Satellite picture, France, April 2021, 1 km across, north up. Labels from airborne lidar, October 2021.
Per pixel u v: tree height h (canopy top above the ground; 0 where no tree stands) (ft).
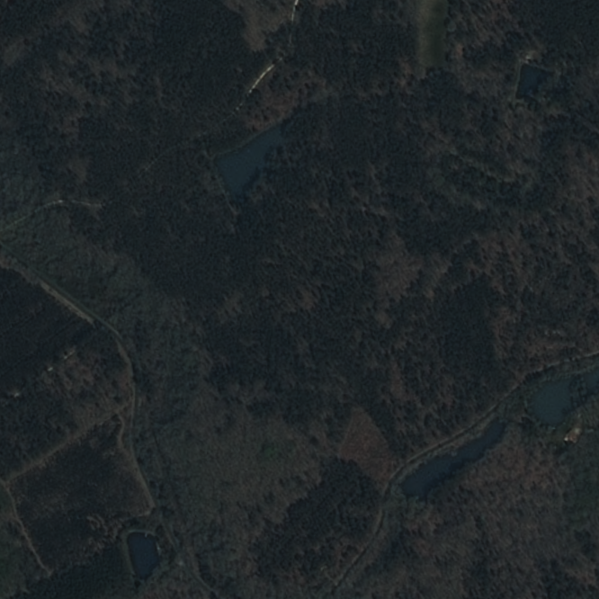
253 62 66
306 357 39
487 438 0
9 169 28
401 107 54
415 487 0
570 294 71
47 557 25
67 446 24
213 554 45
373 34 73
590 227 43
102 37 66
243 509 51
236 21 60
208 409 39
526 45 89
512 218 56
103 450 27
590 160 24
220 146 60
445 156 54
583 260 47
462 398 61
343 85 70
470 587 52
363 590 66
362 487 57
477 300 58
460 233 66
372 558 55
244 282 67
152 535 27
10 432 60
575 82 92
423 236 66
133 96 60
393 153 54
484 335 65
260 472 46
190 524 56
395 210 45
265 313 71
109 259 57
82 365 38
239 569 56
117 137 62
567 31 81
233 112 57
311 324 56
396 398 32
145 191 53
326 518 70
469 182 30
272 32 49
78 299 23
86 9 62
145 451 37
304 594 66
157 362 27
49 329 39
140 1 53
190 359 75
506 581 24
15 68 56
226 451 59
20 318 49
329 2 39
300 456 58
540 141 48
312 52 70
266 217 74
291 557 70
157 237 73
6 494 31
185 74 53
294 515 72
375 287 55
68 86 34
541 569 69
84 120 31
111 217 69
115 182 62
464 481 41
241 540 41
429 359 62
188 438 56
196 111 61
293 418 67
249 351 47
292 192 66
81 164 50
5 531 41
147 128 70
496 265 21
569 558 68
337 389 55
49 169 35
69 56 58
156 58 61
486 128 68
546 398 0
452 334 45
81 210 42
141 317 60
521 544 46
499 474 36
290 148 37
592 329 69
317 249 66
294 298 55
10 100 47
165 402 31
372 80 81
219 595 61
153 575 56
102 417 41
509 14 29
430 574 37
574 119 73
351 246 59
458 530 58
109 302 29
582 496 79
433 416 35
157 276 60
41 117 61
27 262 31
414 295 56
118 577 56
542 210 84
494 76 54
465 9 62
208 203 64
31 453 54
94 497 22
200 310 57
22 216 73
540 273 42
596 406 69
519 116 26
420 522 40
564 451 30
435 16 0
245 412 45
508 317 26
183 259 59
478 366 59
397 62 69
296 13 48
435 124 36
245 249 74
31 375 50
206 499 73
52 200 63
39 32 70
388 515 62
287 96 37
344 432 48
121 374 34
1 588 49
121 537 44
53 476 22
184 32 73
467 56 62
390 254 40
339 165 77
